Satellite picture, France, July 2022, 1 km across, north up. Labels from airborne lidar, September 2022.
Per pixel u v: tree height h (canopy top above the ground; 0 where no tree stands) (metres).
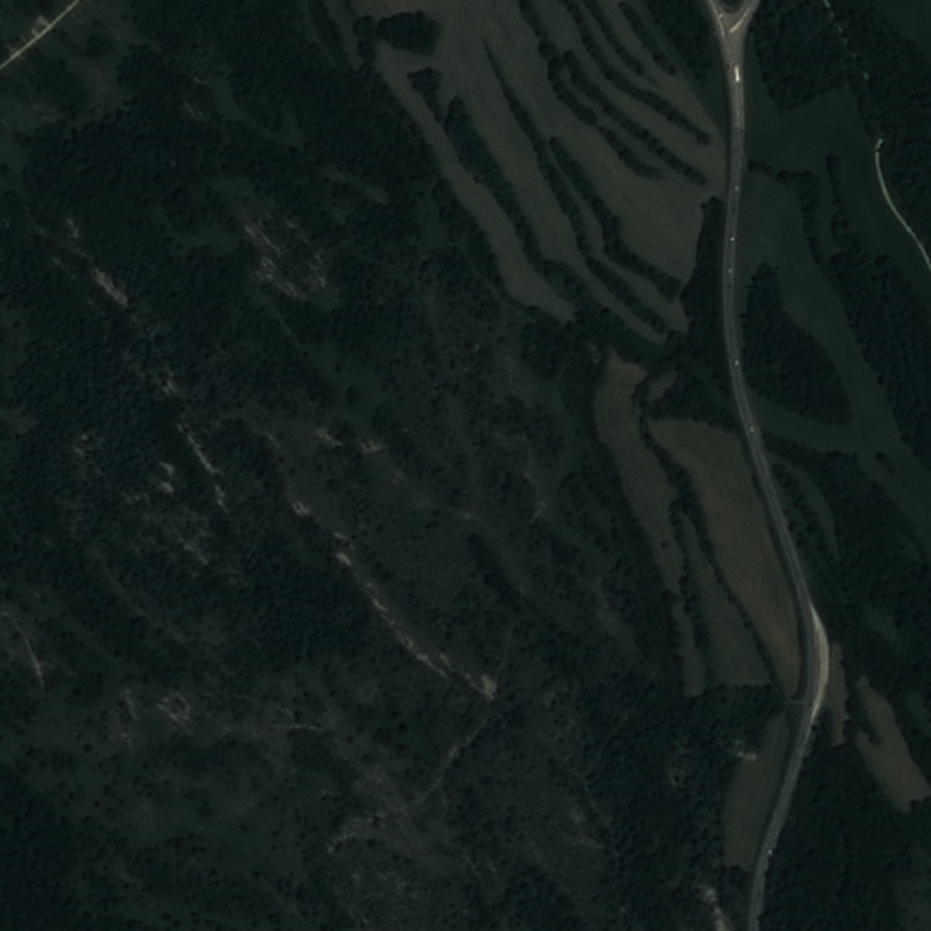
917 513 0
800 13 14
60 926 9
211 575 13
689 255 0
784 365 11
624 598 7
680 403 15
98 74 0
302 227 8
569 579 7
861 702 9
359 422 0
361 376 0
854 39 10
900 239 0
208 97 10
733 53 0
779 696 10
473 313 6
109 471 11
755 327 15
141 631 13
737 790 0
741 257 0
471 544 9
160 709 0
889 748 0
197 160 13
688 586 19
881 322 19
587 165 0
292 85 9
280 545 8
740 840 0
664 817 8
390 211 6
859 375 0
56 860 7
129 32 0
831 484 6
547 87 0
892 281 19
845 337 0
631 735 6
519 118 10
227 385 9
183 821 0
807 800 6
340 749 0
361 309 10
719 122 0
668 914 8
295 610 23
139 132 18
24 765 6
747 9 0
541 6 0
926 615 20
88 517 11
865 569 11
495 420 8
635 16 7
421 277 6
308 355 9
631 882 9
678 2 7
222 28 7
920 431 17
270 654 7
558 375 9
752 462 0
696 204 0
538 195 0
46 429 6
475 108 0
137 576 13
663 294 6
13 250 8
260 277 0
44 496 6
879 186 0
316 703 12
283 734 0
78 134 15
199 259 7
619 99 0
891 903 7
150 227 7
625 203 0
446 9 0
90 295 8
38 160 8
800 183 7
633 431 0
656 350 7
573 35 0
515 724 12
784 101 16
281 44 10
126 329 10
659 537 0
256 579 14
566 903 10
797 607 0
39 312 6
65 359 9
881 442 0
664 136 0
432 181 8
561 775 6
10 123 0
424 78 18
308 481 0
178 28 7
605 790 13
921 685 7
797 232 0
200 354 6
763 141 0
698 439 0
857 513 12
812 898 15
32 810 22
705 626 10
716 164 0
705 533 10
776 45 11
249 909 5
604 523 0
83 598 6
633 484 0
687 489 15
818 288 0
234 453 16
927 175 17
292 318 7
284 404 8
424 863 0
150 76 7
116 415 12
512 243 0
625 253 14
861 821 6
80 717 0
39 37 0
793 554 0
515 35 0
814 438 0
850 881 13
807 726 0
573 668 10
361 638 11
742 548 0
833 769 10
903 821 6
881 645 8
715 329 17
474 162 17
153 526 6
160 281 11
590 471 7
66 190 7
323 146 10
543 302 0
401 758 10
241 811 0
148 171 12
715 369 14
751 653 0
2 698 17
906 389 21
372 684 0
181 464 7
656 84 0
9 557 7
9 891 20
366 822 0
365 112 7
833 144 0
